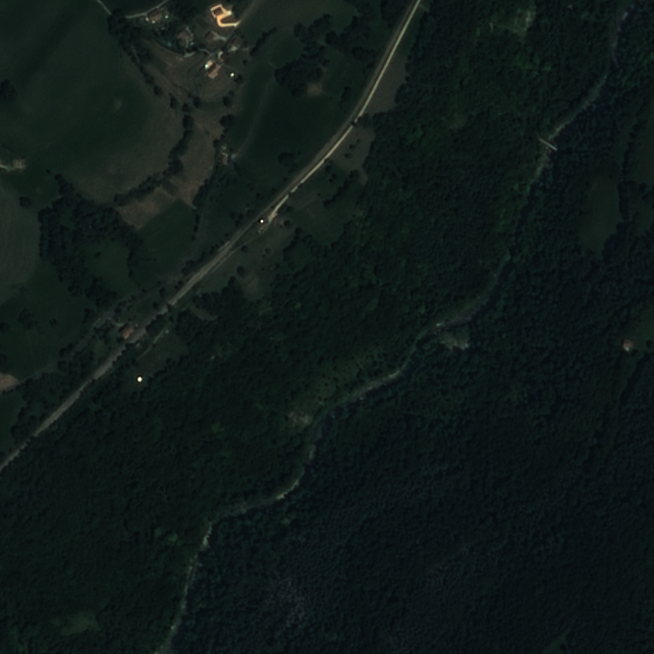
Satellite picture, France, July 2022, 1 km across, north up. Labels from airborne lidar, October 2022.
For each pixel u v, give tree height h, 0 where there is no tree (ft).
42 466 67
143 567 80
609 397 73
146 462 50
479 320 73
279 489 91
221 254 0
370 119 58
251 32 0
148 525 103
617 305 79
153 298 0
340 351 40
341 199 42
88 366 56
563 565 123
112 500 86
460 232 77
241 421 56
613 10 27
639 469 95
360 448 30
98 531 77
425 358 47
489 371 60
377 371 32
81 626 0
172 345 0
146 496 107
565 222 89
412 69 64
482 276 60
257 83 0
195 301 46
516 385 69
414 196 49
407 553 73
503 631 121
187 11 39
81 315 0
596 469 102
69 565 78
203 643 87
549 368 85
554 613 78
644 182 0
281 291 23
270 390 62
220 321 25
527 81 33
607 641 89
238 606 96
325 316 41
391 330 46
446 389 49
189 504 53
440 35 100
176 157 54
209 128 0
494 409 76
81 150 0
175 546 80
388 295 62
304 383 20
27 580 59
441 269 77
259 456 41
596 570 124
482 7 44
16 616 80
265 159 0
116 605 47
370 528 68
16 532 50
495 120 69
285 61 0
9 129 0
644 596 79
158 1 0
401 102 56
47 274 0
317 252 34
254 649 98
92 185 0
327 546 100
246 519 78
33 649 92
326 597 116
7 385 0
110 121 0
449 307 69
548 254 77
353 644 69
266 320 30
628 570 94
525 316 73
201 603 85
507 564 83
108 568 61
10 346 0
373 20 54
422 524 110
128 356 39
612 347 85
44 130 0
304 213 0
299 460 83
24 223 0
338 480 90
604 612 95
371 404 48
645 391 72
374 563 94
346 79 0
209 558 80
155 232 0
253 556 44
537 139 32
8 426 0
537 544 81
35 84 0
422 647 92
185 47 51
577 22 74
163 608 27
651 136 0
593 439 103
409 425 82
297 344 42
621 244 103
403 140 87
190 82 0
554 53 44
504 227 56
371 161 37
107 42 0
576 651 71
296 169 49
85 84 0
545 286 92
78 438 68
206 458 91
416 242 67
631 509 118
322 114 0
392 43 0
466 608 50
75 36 0
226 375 73
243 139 0
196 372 101
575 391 111
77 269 78
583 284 106
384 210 92
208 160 0
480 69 75
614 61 0
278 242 0
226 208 0
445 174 64
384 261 85
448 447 75
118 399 70
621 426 74
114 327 27
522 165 20
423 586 70
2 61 0
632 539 126
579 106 75
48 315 0
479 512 119
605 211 0
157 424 25
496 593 68
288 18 0
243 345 22
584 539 124
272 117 0
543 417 101
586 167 94
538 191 80
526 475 101
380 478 93
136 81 0
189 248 0
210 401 64
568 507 95
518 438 99
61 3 0
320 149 0
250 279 0
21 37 0
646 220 0
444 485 98
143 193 53
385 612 75
